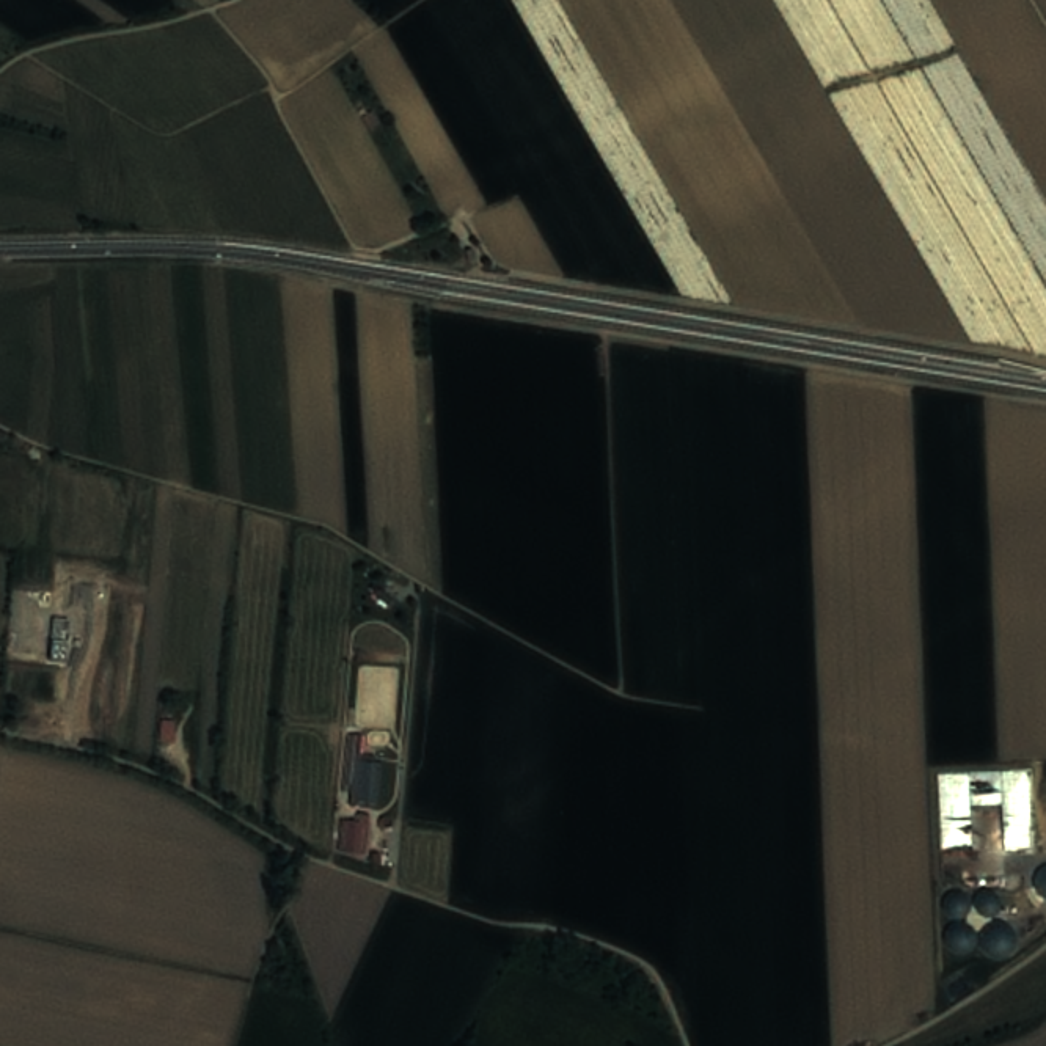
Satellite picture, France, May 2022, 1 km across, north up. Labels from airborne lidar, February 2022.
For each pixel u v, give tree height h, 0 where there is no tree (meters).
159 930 0
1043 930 0
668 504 0
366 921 0
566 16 0
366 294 0
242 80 0
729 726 0
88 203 0
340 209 0
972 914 0
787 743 0
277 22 0
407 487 0
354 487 0
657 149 0
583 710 0
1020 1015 0
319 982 0
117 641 0
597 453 0
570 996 0
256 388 0
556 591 0
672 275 0
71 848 0
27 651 0
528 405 0
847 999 0
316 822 0
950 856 0
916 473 0
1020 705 0
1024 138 0
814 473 0
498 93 0
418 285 0
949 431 0
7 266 0
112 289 0
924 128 0
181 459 0
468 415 0
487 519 0
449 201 0
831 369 0
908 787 0
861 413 0
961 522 0
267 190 0
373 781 0
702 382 0
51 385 0
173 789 11
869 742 0
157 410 0
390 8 0
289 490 0
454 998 0
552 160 0
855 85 0
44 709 0
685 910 0
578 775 0
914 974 0
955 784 0
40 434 0
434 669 0
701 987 0
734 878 0
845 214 0
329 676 0
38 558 0
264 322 0
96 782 0
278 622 0
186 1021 0
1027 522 0
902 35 0
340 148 0
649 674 0
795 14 0
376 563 0
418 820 0
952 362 0
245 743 0
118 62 0
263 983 8
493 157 0
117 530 0
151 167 0
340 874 0
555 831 0
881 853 0
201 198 0
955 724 0
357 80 0
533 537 0
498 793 0
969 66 0
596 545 0
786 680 0
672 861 0
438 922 0
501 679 0
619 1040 0
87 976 0
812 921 0
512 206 0
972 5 0
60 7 0
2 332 0
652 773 0
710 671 0
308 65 0
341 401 0
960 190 0
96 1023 0
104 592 0
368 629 0
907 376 0
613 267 0
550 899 0
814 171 0
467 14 0
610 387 0
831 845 0
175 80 0
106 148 0
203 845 0
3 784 0
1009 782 0
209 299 0
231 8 0
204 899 0
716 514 0
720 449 0
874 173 0
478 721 0
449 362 0
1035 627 0
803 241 0
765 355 0
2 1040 0
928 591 0
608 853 0
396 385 0
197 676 0
